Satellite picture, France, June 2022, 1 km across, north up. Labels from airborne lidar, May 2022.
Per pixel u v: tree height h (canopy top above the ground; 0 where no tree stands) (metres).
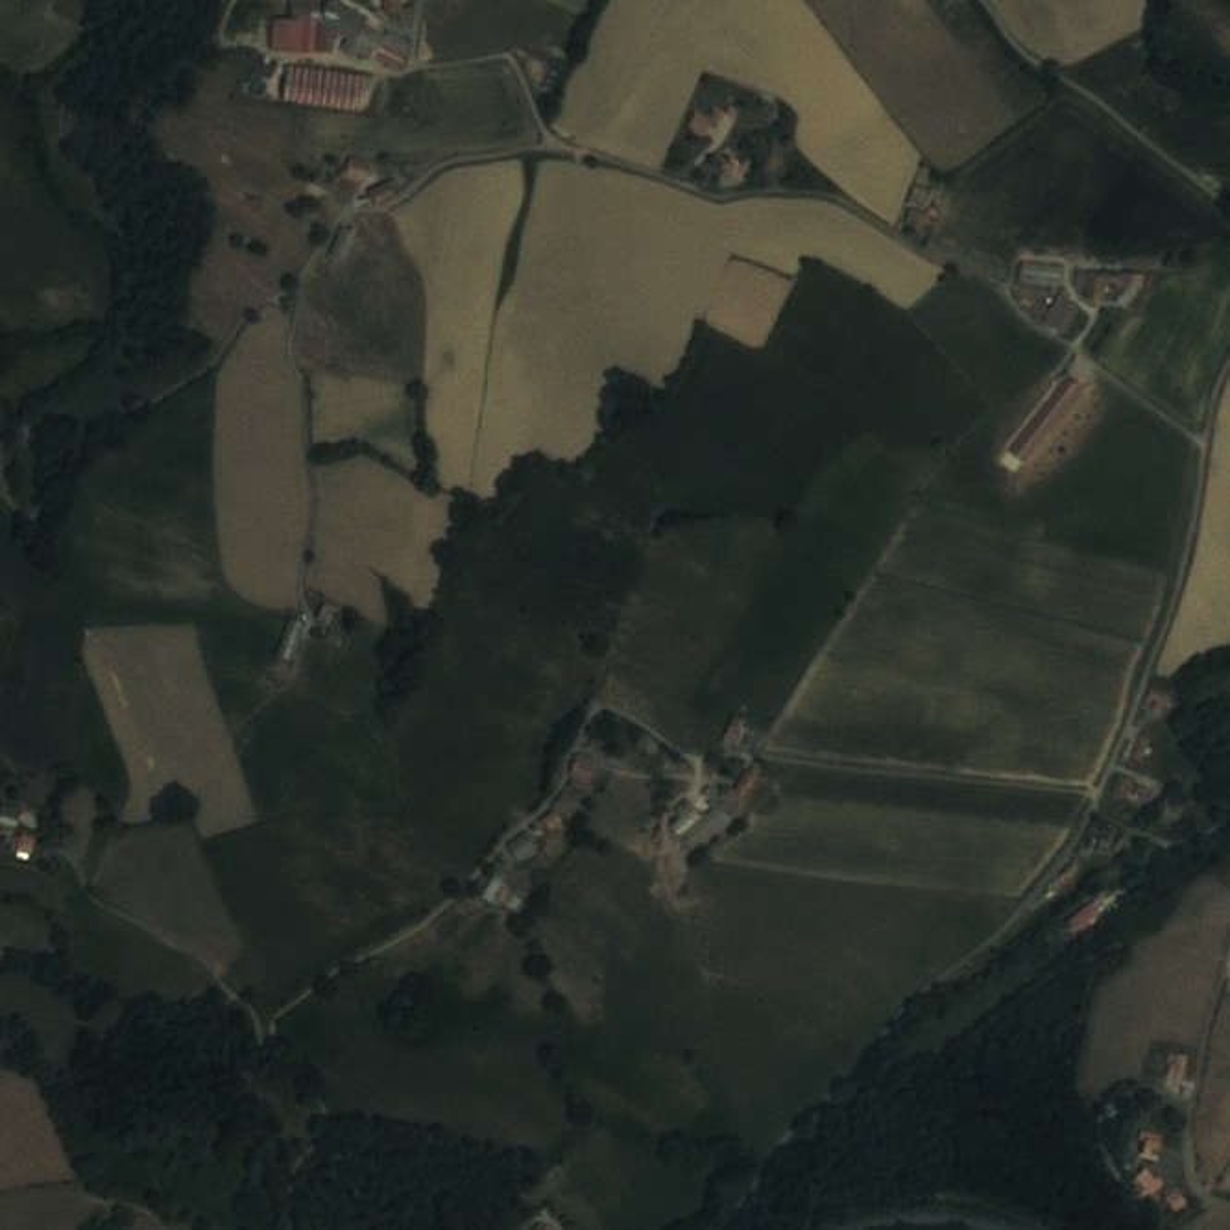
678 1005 0
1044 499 0
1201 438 0
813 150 0
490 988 0
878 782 0
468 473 0
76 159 14
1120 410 0
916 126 0
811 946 0
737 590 0
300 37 0
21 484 9
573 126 0
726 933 0
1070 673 0
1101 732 0
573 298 0
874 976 0
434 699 0
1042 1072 19
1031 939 8
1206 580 0
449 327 0
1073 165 0
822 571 0
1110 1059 0
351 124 0
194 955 0
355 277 0
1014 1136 33
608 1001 0
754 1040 0
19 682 0
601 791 7
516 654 0
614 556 0
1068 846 0
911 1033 16
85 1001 19
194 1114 20
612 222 0
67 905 0
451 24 0
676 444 0
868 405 0
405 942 0
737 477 0
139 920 0
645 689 0
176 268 18
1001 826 0
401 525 0
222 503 0
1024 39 0
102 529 0
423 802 0
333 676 0
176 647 0
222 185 0
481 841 0
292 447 0
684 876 0
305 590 0
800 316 0
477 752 0
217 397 0
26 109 8
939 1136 21
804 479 0
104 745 0
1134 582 0
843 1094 20
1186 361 0
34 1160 0
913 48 0
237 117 0
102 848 0
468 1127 0
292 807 0
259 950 0
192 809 20
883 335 0
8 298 0
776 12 0
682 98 0
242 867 0
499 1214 30
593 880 0
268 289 0
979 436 0
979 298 0
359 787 0
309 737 0
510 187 0
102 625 0
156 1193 14
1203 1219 0
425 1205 19
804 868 0
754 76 0
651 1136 0
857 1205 14
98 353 9
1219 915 0
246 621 0
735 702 0
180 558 0
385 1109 0
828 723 0
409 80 0
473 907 0
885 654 0
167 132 0
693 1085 0
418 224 0
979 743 0
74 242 0
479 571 0
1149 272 0
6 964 9
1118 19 0
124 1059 19
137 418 19
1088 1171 23
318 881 0
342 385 0
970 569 0
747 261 0
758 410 0
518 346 0
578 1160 0
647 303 0
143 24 24
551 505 0
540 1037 0
